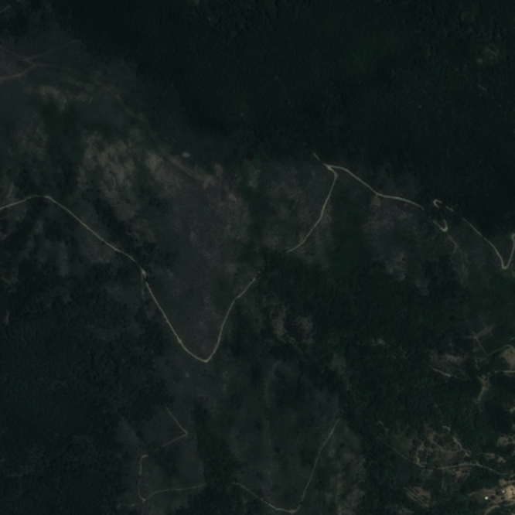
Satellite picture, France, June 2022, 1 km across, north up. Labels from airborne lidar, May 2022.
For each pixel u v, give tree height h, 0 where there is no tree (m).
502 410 12
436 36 16
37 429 15
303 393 10
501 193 8
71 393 12
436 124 12
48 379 12
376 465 10
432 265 8
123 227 9
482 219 8
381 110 18
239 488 10
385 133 16
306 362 11
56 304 19
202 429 18
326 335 16
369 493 11
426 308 14
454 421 9
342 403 11
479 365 10
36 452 9
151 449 8
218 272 0
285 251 8
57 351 17
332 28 11
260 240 0
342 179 0
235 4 19
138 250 8
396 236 0
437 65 15
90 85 0
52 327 15
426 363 14
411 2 9
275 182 0
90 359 6
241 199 0
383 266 7
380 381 15
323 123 15
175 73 17
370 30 15
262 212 0
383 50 12
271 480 0
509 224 7
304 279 11
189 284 0
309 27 10
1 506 18
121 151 0
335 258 0
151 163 0
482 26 21
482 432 11
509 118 9
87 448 11
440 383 9
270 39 17
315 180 0
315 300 11
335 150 7
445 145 11
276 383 8
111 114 0
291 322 9
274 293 9
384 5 22
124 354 10
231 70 11
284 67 10
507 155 7
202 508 11
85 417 14
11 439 8
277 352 11
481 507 9
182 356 0
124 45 14
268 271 11
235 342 6
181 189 0
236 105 8
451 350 10
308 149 6
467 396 11
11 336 17
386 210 0
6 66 0
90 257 0
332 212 0
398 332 10
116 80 0
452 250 0
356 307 8
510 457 7
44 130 0
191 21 13
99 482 11
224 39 18
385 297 16
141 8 19
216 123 11
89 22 14
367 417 15
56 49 0
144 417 8
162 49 17
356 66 10
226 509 16
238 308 7
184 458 0
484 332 0
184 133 0
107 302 7
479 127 14
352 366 14
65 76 0
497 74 11
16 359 14
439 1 16
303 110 15
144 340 7
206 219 0
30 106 0
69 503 10
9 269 6
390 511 7
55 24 0
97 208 11
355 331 13
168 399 6
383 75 14
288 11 20
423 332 17
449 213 7
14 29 8
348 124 16
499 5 18
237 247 0
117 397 6
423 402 13
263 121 14
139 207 0
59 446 16
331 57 11
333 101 20
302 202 0
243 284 0
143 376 6
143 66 14
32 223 7
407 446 0
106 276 15
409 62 15
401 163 7
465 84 9
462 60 9
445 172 11
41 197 9
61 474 9
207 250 0
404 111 16
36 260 6
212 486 9
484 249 0
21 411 11
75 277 8
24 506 10
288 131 10
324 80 14
